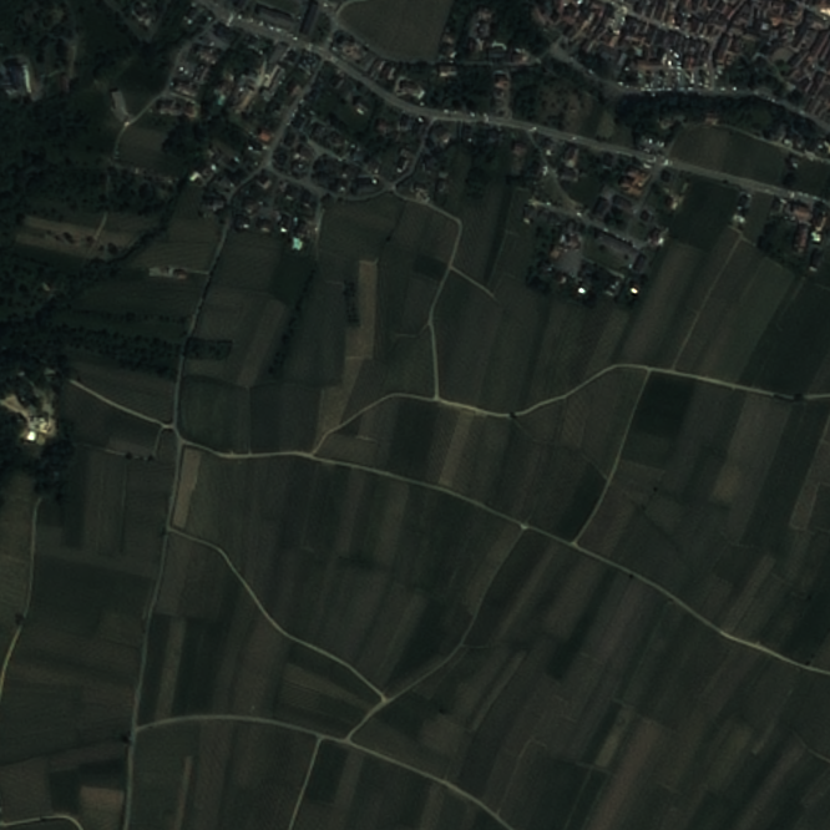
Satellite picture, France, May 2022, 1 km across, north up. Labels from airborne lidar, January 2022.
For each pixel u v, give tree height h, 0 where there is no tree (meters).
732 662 0
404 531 0
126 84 0
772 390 0
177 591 0
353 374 0
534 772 0
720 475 0
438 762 0
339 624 0
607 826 0
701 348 0
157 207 11
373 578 0
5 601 0
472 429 0
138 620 0
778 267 0
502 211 0
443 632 0
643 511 0
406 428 0
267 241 0
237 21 0
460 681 0
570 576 0
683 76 0
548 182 0
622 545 0
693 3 0
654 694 0
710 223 0
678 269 0
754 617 0
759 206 0
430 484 0
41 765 0
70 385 0
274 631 0
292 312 0
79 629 0
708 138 0
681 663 0
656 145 0
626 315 0
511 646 0
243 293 0
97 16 0
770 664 0
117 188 6
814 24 0
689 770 0
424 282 0
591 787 0
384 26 0
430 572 0
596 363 0
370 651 0
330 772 0
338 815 0
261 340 0
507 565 0
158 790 0
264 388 0
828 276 0
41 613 0
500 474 0
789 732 0
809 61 0
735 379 0
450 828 0
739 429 0
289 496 0
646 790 0
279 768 0
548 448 0
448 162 8
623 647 0
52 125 14
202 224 0
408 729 0
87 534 0
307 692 0
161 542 0
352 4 0
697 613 0
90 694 0
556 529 0
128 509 0
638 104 24
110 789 0
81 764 0
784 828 0
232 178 22
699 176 0
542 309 0
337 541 0
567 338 0
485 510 0
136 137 0
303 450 0
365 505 0
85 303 0
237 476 0
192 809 0
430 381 0
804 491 0
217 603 0
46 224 0
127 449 0
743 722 0
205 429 0
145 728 0
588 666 0
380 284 0
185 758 0
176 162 0
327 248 0
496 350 0
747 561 0
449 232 0
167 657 0
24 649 0
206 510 0
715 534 0
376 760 0
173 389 0
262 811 0
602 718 0
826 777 0
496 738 0
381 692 0
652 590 0
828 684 0
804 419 0
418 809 0
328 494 0
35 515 0
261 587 0
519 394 0
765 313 0
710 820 0
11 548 0
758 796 0
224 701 0
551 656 0
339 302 0
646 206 0
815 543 0
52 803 0
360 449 0
